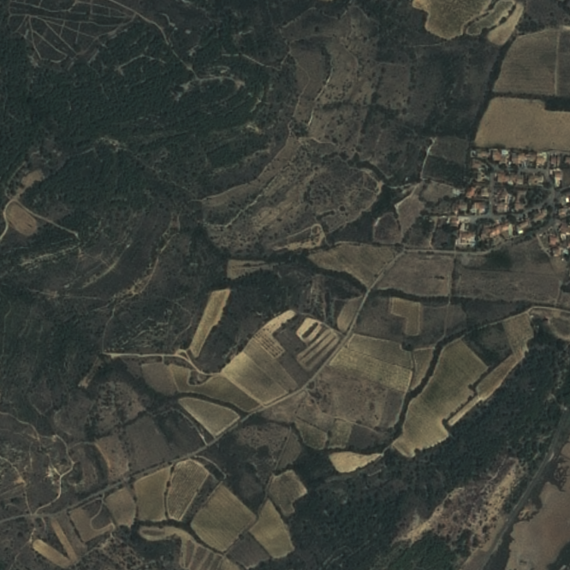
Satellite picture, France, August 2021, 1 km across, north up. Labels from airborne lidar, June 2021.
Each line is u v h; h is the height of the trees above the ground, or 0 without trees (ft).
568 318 0
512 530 0
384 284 0
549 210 33
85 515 0
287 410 0
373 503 30
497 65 24
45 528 0
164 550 0
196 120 35
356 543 20
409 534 0
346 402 0
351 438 0
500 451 30
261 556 0
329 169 0
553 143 0
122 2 0
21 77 25
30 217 0
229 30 32
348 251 0
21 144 25
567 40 0
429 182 19
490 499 0
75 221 20
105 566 0
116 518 0
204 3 33
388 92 0
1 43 22
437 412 0
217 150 23
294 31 0
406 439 0
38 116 34
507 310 0
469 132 23
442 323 0
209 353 0
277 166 0
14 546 0
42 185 33
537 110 0
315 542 0
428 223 0
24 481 0
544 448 39
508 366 0
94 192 27
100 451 0
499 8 0
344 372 0
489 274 0
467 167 20
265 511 0
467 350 0
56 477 0
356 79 0
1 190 30
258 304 0
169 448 0
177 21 0
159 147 23
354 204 0
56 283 0
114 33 0
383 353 0
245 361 0
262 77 25
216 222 0
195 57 27
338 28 0
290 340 0
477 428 26
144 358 0
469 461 47
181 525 17
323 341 0
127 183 25
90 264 0
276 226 0
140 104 27
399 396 0
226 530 0
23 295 28
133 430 0
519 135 0
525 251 0
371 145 0
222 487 0
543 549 0
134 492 0
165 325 0
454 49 0
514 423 27
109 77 21
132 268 0
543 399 29
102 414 0
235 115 29
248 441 0
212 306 0
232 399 0
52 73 27
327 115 0
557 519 0
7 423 0
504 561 0
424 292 0
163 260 0
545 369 30
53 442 0
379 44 21
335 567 24
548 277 0
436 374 0
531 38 0
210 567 0
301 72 0
